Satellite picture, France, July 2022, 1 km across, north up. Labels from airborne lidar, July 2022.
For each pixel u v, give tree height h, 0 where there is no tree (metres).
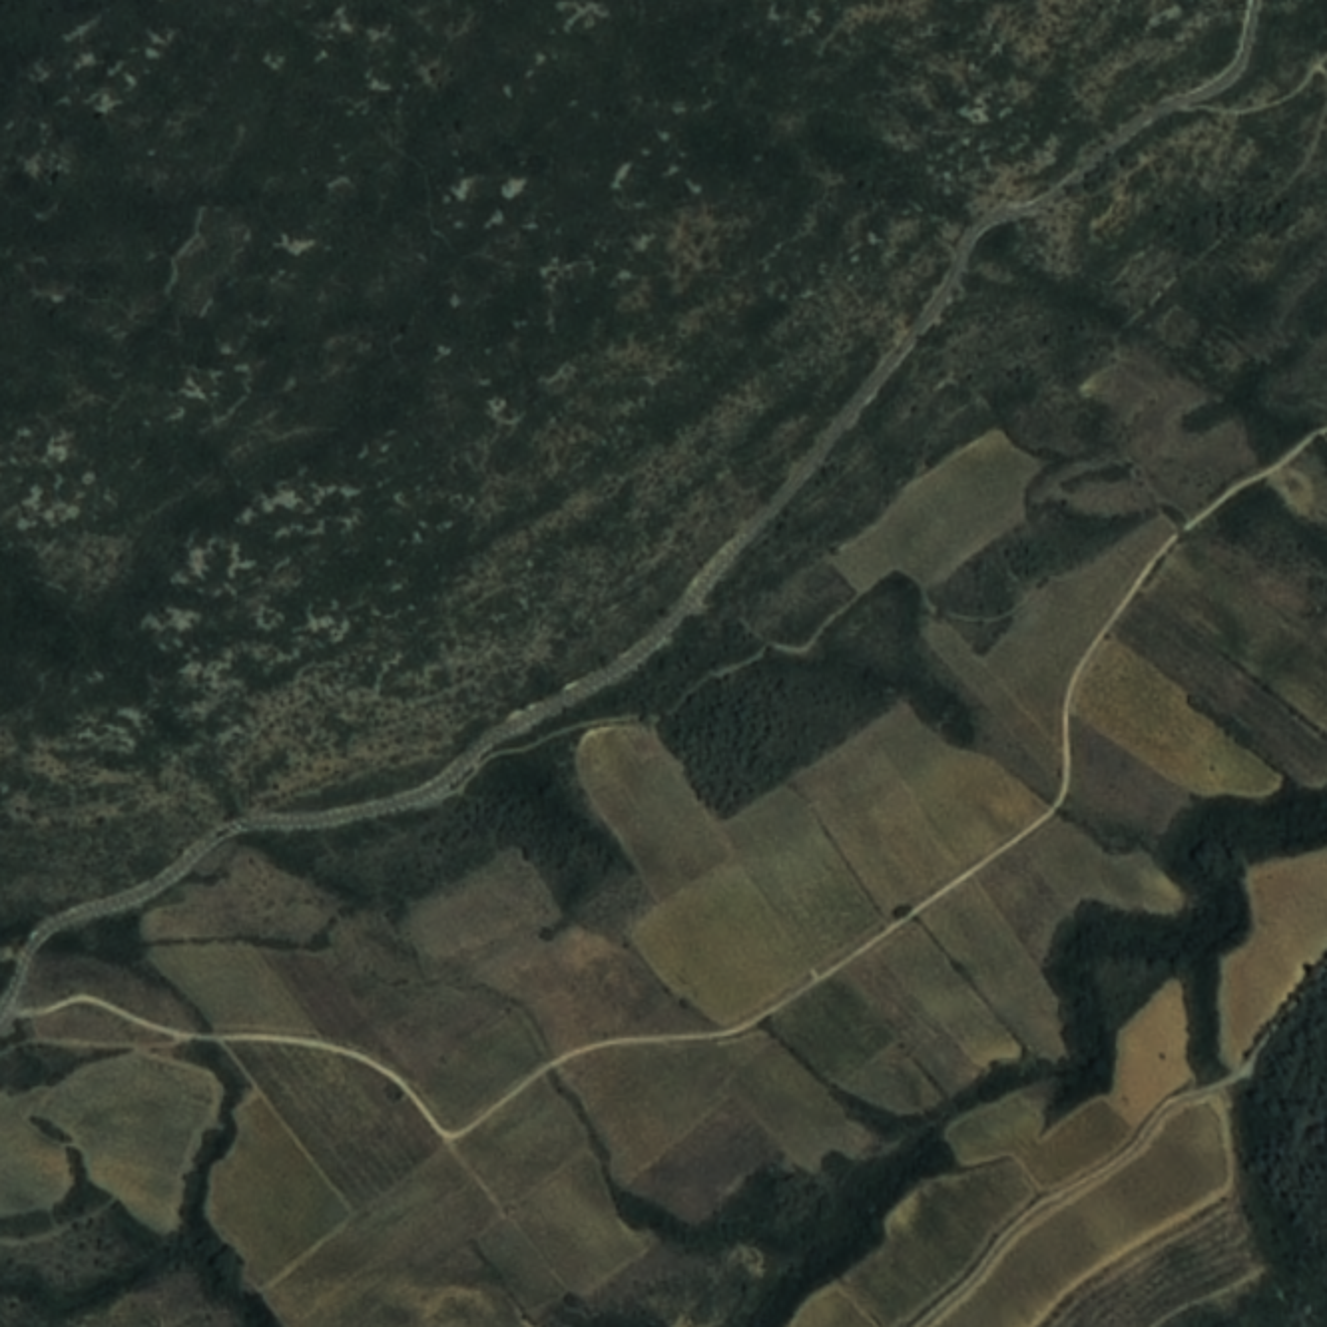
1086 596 0
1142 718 0
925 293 0
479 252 0
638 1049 0
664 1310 0
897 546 0
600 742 0
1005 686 0
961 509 0
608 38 0
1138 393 0
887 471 7
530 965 0
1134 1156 0
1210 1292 0
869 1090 0
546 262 0
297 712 0
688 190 0
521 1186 0
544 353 0
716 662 8
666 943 0
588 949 0
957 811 0
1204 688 0
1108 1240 0
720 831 0
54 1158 0
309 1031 0
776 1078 0
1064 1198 0
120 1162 0
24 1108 0
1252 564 0
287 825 0
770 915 0
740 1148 0
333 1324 0
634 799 0
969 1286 0
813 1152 0
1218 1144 0
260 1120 0
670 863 0
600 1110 0
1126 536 0
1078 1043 10
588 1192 0
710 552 0
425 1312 0
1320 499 0
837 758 0
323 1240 0
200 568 0
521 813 14
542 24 0
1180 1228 0
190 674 0
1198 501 0
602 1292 0
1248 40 0
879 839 0
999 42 0
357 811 0
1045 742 0
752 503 0
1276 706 0
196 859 0
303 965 0
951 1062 0
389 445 0
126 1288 6
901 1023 0
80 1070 0
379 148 0
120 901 0
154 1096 0
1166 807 0
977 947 0
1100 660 0
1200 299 0
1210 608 0
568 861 8
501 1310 0
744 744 10
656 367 0
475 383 0
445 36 0
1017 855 0
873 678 6
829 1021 0
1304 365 0
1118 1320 0
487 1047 0
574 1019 0
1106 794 0
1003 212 0
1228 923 7
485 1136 0
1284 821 7
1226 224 12
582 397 0
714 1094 0
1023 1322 0
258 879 0
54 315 9
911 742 0
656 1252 0
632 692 7
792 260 0
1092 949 12
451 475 0
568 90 0
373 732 0
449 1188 0
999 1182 0
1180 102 0
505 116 0
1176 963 13
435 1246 0
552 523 0
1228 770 0
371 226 5
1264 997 0
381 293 0
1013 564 6
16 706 0
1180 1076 0
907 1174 10
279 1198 0
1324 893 0
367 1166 0
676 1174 0
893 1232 0
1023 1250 0
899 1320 0
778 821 0
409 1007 0
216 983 0
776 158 6
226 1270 18
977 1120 0
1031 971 0
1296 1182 11
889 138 0
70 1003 0
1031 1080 9
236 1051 0
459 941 0
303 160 0
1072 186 6
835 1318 0
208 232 0
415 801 0
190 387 0
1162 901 0
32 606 6
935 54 0
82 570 0
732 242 0
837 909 0
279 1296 0
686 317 0
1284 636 0
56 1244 0
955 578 0
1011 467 0
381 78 0
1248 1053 5
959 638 0
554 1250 0
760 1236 6
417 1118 0
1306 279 0
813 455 0
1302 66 0
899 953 0
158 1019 0
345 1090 0
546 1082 0
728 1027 0
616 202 0
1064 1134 0
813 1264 9
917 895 0
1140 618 0
